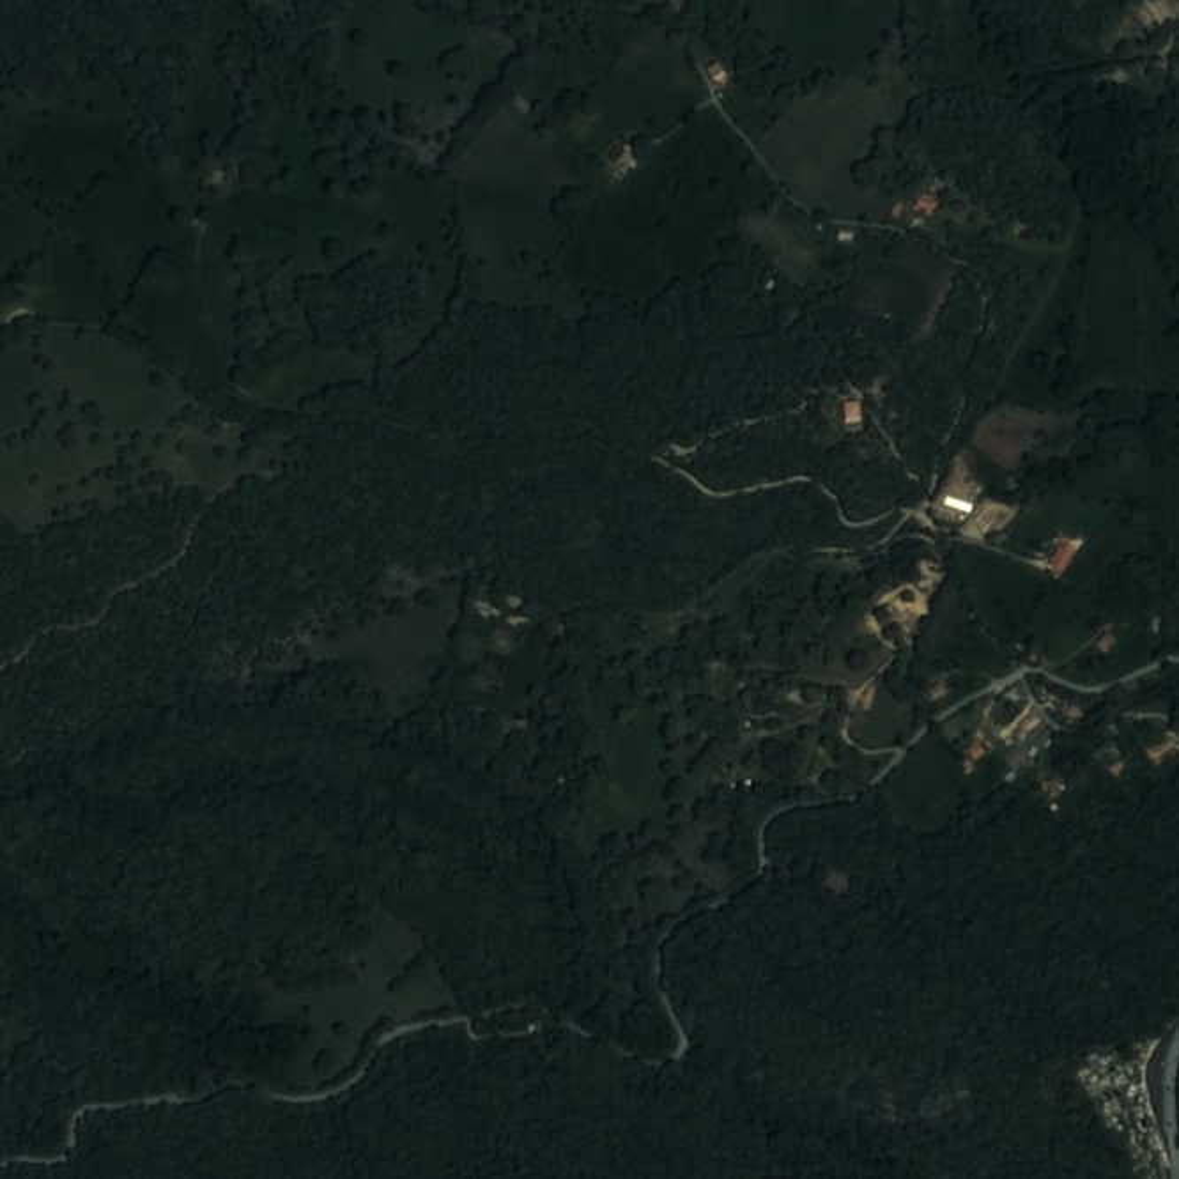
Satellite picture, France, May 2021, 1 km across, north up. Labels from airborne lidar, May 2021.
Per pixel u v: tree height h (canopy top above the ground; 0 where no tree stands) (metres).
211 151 14
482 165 0
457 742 14
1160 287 0
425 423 7
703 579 8
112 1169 11
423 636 0
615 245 0
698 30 11
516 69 18
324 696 13
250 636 9
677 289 12
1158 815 8
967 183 7
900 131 11
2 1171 9
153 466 8
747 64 14
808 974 10
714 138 0
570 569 9
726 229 0
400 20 0
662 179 0
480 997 7
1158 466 8
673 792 16
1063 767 9
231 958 10
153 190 0
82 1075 11
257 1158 11
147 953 11
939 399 10
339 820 16
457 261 7
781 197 9
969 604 7
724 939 12
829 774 12
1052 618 0
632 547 10
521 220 0
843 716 6
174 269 8
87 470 0
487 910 15
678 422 10
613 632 0
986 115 9
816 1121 16
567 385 8
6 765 9
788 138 0
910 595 8
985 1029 6
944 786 0
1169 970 13
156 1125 8
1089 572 0
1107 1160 11
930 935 13
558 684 12
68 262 0
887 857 10
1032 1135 9
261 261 13
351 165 15
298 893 12
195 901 14
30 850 11
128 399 0
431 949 8
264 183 13
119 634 7
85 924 10
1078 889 14
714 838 11
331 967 10
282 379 0
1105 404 13
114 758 17
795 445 9
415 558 11
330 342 12
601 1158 12
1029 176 9
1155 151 9
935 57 12
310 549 9
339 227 0
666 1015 7
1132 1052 10
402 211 0
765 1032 8
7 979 11
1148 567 13
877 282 0
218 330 0
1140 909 15
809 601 9
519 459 9
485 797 15
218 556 10
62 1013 7
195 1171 10
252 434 10
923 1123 8
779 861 13
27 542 6
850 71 0
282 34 15
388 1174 9
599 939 16
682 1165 11
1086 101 21
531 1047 6
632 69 0
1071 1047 8
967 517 0
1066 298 0
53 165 0
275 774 16
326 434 10
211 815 13
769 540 9
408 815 12
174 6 12
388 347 10
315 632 11
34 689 6
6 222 0
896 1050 6
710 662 9
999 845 10
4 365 0
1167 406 16
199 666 7
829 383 10
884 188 8
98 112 10
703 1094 10
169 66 14
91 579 8
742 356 8
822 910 11
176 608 8
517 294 0
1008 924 13
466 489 9
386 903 11
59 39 13
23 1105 9
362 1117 13
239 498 10
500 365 10
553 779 9
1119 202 19
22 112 0
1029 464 10
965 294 8
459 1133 11
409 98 0
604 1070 16
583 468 7
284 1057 11
